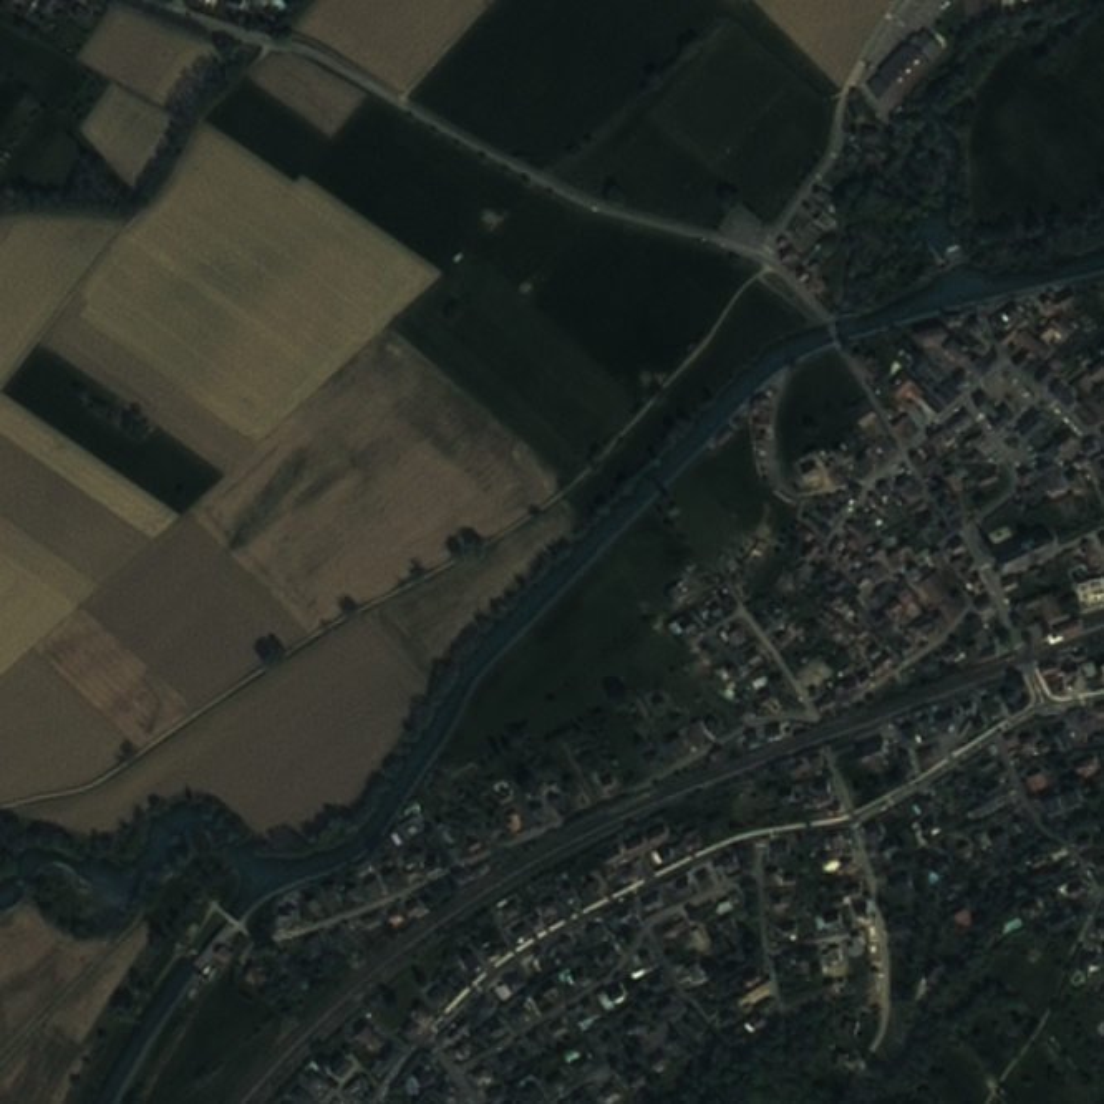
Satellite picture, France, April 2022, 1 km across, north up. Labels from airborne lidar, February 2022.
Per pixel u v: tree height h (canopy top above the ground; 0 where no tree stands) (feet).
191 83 0
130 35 0
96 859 32
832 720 34
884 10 0
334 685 0
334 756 0
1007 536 0
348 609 48
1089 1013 0
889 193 74
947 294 0
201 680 0
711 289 0
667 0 0
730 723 0
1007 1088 22
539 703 0
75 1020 0
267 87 0
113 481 0
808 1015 34
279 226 0
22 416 0
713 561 0
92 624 0
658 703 30
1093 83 0
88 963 0
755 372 0
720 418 0
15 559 0
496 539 0
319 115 0
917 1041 46
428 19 0
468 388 0
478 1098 0
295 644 0
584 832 0
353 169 0
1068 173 0
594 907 0
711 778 0
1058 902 42
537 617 0
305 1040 0
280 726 0
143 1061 0
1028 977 0
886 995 0
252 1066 0
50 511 0
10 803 0
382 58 0
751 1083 66
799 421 0
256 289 0
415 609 0
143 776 0
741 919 0
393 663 0
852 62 0
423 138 0
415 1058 19
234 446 0
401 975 0
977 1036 31
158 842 0
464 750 0
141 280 0
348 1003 0
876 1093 62
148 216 0
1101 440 0
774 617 0
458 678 31
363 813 45
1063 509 0
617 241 0
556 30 0
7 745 0
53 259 0
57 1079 0
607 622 0
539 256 0
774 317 0
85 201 70
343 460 0
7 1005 0
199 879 62
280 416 0
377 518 0
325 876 0
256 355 0
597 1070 0
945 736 0
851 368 0
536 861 0
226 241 0
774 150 0
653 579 0
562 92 0
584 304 0
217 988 0
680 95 0
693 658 0
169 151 52
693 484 0
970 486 0
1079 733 0
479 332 0
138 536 0
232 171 0
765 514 0
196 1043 0
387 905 0
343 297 0
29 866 0
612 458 0
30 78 0
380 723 0
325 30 0
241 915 0
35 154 0
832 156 0
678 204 0
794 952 31
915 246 45
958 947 0
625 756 0
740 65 0
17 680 0
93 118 0
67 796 0
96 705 0
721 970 56
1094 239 61
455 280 0
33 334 0
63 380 0
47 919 45
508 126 0
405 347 0
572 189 0
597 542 0
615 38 0
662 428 0
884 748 0
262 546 0
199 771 0
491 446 0
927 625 0
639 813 0
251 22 36
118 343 0
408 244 0
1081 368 0
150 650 0
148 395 0
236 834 63
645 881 0
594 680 0
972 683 0
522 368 0
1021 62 0
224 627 0
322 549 0
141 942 0
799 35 0
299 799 0
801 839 31
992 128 0
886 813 0
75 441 0
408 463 0
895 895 0
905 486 0
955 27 0
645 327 0
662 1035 0
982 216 0
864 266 55
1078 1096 0
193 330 0
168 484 0
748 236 0
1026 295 0
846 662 19
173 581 0
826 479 0
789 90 0
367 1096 25
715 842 0
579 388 0
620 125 0
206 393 0
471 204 0
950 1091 0
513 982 0
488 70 0
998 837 0
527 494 0
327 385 0
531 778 60
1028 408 0
